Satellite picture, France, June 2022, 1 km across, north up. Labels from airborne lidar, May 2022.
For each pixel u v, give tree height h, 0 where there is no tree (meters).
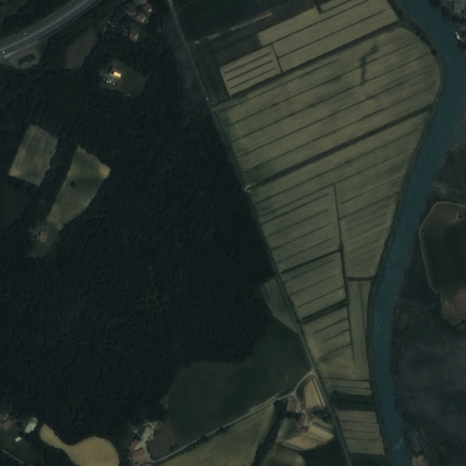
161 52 6
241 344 21
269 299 0
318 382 0
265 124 0
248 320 24
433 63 0
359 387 0
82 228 25
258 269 20
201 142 20
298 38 0
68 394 22
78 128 12
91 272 7
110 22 13
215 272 22
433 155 0
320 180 0
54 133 16
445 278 0
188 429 0
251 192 0
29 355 21
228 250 22
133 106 30
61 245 8
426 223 0
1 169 7
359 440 0
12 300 18
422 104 0
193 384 0
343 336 0
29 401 22
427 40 7
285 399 0
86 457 0
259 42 0
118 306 12
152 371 22
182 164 13
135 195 22
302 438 0
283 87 0
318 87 0
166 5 18
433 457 0
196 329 19
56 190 15
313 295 0
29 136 0
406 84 0
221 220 22
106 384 30
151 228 11
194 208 10
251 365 0
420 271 0
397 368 6
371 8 0
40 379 18
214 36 0
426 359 0
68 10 0
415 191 0
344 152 0
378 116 0
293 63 0
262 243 16
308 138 0
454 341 0
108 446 0
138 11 9
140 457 0
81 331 12
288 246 0
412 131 0
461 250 0
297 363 0
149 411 22
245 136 0
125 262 15
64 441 12
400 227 0
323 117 0
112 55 12
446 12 15
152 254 11
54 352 18
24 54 0
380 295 0
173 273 15
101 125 23
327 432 0
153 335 25
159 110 30
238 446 0
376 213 0
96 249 30
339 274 0
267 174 0
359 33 0
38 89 17
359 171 0
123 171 27
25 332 19
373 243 0
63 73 16
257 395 0
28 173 0
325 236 0
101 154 23
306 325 0
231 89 0
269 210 0
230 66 0
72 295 15
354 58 0
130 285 14
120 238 15
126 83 0
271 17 0
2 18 0
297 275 0
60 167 18
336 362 0
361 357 0
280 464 0
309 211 0
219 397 0
